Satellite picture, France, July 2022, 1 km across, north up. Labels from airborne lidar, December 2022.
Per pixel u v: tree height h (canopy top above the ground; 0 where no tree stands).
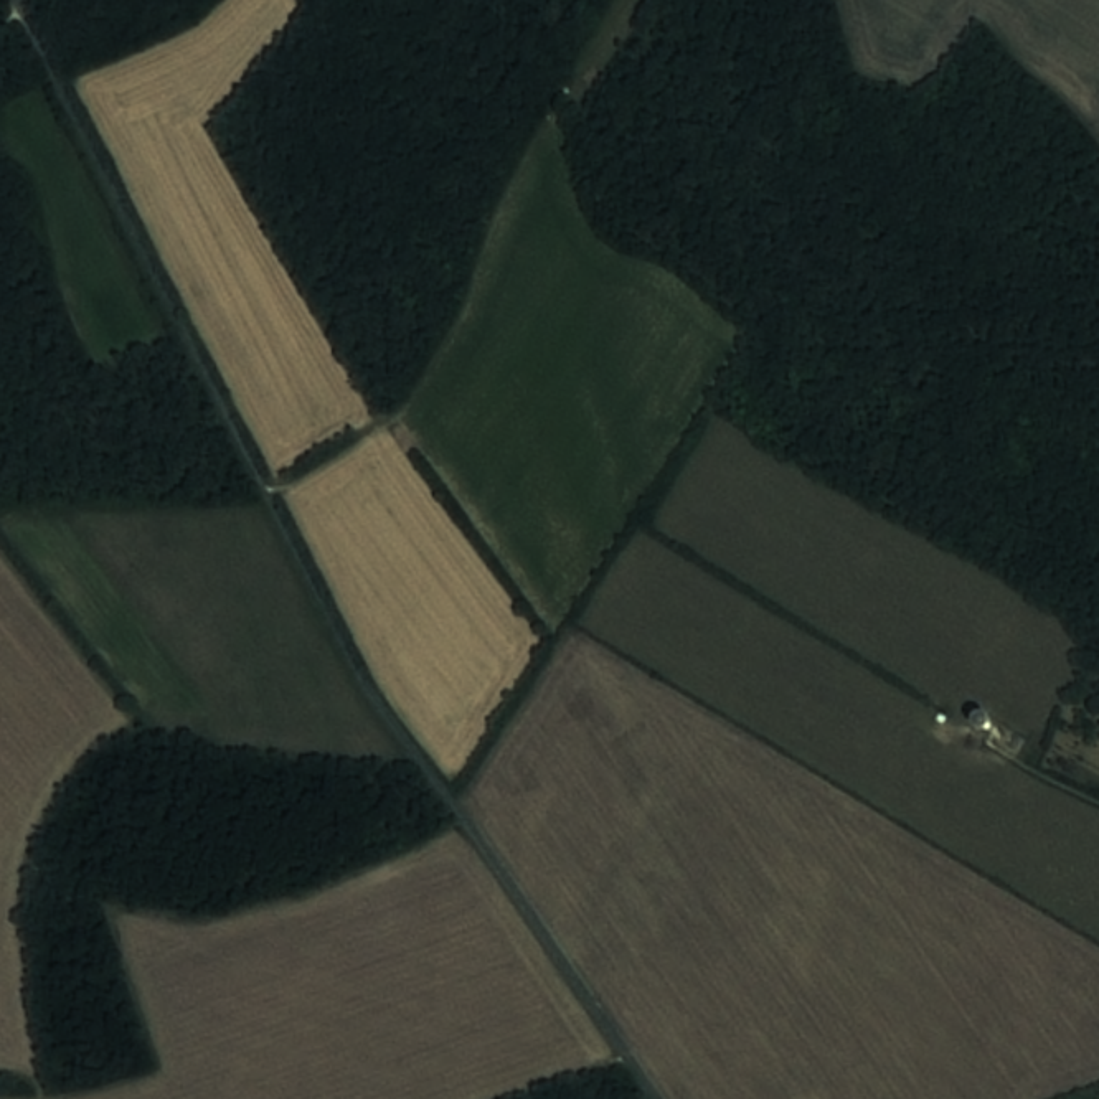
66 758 0
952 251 20
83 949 24
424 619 0
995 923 0
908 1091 0
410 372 13
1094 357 22
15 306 24
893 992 0
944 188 21
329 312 21
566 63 19
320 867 13
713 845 0
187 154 0
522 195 0
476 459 0
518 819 0
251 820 21
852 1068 0
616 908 0
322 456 15
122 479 23
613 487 0
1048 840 0
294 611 0
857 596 0
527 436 0
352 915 0
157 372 21
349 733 0
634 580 0
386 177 18
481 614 0
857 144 19
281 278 0
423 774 15
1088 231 22
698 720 0
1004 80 16
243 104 20
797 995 0
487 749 7
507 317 0
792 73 20
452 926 0
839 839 0
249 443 8
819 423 17
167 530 0
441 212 18
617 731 0
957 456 21
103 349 0
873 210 18
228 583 0
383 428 0
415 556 0
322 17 20
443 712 0
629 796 0
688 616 0
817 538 0
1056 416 18
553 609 0
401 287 19
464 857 0
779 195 23
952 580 0
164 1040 0
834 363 21
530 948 0
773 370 19
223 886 21
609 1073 9
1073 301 21
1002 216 20
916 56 0
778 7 21
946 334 19
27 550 0
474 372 0
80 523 0
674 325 0
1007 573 8
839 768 0
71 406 23
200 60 0
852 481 18
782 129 16
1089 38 0
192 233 0
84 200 0
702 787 0
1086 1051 0
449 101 20
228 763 22
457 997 0
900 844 0
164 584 0
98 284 0
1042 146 21
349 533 0
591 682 0
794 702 0
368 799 20
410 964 0
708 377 0
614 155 25
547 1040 0
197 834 23
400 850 12
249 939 0
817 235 21
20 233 21
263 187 22
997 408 18
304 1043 0
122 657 0
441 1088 0
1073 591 18
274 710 0
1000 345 18
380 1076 0
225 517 0
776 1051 0
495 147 22
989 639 0
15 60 26
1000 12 0
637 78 21
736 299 20
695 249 17
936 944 0
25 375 21
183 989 0
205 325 0
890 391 21
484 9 25
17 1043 0
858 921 0
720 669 0
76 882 22
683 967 0
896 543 0
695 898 0
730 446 0
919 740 0
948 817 0
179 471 22
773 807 0
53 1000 19
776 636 0
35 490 22
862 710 0
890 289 20
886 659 0
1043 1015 0
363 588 0
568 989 0
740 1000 0
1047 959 0
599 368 0
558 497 0
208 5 21
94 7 20
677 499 0
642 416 0
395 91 21
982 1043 0
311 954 0
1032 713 0
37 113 0
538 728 0
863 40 0
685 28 24
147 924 0
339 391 0
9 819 0
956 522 17
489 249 0
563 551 0
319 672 0
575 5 13
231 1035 0
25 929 9
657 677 8
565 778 0
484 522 0
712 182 24
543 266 0
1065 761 6
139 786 8
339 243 21
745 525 0
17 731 0
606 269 0
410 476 0
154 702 0
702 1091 0
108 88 0
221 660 0
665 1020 0
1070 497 20
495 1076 0
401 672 0
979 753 0
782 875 0
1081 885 0
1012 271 18
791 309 19
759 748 0
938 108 18
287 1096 0
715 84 22
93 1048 12
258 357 0
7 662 0
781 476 0
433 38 22
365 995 0
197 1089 0
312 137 17
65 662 0
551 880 0
